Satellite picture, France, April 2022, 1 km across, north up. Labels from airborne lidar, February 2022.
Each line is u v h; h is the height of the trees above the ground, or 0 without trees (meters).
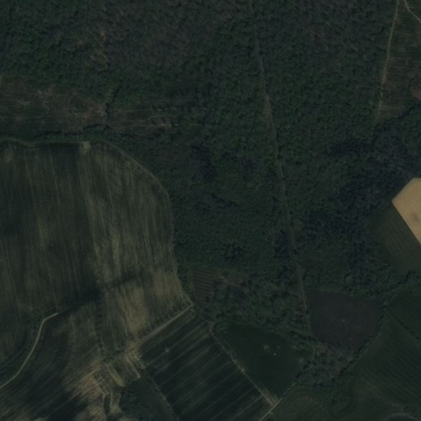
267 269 17
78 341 0
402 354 0
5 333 0
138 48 28
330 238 33
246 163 25
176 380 0
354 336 0
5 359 0
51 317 0
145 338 0
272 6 26
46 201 0
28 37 21
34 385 0
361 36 29
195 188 12
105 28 32
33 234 0
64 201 0
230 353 0
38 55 30
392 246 0
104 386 0
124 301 0
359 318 0
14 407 0
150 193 0
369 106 25
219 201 28
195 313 0
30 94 0
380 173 27
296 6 25
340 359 28
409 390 0
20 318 0
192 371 0
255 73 25
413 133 21
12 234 0
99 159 0
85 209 0
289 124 26
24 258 0
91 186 0
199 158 20
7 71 28
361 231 24
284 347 0
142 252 0
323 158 24
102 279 0
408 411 10
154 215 0
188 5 27
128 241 0
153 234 0
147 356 0
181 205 13
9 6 16
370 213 26
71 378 0
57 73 26
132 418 0
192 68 30
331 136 23
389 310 13
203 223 17
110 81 21
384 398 0
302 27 31
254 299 32
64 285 0
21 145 0
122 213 0
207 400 0
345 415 0
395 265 0
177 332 0
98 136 22
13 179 0
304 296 0
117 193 0
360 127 28
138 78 27
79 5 28
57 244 0
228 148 24
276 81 26
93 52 31
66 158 0
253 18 0
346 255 17
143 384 0
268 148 25
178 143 29
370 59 33
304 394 0
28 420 0
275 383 0
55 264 0
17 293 0
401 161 14
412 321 0
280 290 23
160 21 32
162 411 0
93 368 0
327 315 0
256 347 0
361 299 0
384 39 28
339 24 28
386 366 0
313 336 0
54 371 0
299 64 23
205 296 0
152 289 0
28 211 0
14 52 31
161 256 0
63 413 0
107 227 0
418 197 0
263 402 0
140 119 28
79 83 29
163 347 0
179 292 0
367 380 0
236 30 25
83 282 0
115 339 0
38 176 0
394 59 28
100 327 0
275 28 28
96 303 0
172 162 18
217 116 27
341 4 30
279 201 20
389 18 29
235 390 0
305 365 0
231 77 25
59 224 0
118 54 29
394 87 29
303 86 28
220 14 28
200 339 0
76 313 0
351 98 26
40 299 0
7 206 0
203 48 29
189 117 31
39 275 0
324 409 0
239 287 0
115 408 0
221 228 18
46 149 0
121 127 30
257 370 0
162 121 0
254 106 30
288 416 0
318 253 20
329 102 25
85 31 30
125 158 0
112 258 0
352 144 27
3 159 0
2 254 0
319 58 29
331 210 17
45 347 0
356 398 0
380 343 0
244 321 24
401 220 0
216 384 0
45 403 0
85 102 29
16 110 0
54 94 0
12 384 0
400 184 30
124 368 0
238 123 29
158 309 0
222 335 0
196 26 28
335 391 27
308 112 29
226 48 25
